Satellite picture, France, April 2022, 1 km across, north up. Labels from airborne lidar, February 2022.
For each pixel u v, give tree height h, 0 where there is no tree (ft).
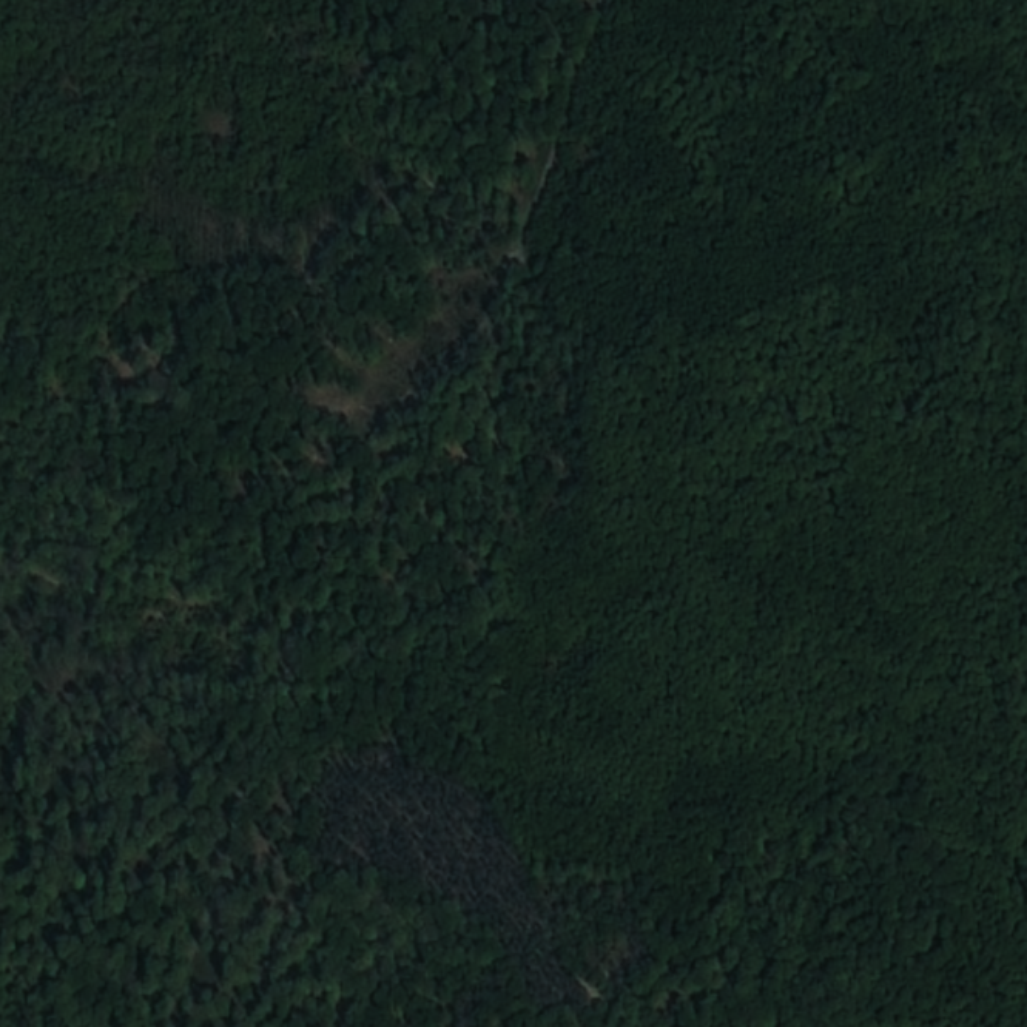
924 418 62
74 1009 107
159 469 106
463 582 103
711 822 54
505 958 56
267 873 99
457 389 92
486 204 104
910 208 76
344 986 107
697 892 52
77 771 126
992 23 96
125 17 46
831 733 80
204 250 0
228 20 49
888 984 102
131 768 128
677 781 50
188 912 122
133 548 63
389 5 114
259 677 122
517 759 39
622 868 39
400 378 0
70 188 51
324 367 87
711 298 75
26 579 129
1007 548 75
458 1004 53
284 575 104
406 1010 99
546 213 36
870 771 99
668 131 89
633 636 59
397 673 105
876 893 91
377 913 103
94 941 119
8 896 136
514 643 75
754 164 83
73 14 43
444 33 109
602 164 31
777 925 95
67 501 125
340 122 71
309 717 93
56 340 75
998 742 82
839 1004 89
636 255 64
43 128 80
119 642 121
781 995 105
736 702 78
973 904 81
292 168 61
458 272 72
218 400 105
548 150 0
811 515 78
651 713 69
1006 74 83
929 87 79
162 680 128
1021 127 75
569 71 73
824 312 88
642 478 86
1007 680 84
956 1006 79
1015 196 66
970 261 74
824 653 94
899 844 106
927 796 79
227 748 107
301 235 51
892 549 77
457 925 95
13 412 74
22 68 43
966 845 87
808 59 81
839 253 66
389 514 105
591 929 53
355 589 86
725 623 86
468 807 83
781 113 70
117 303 69
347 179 33
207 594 113
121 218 71
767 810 65
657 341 81
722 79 84
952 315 59
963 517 77
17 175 50
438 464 112
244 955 115
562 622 50
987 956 84
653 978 89
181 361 44
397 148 57
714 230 63
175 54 43
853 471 78
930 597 77
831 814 107
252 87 59
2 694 140
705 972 117
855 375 82
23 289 44
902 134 79
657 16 54
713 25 47
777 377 76
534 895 46
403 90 120
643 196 76
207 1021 119
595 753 50
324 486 87
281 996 120
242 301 98
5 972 104
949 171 78
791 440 98
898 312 70
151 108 54
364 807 82
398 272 96
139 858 126
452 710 104
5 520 82
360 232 95
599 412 60
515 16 114
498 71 63
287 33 43
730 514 82
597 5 0
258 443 104
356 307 91
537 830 64
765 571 76
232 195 28
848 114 78
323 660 117
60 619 121
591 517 65
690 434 76
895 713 87
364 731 84
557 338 80
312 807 69
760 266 70
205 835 119
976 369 78
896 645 87
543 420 77
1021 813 98
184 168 39
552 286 58
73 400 32
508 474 102
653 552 91
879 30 57
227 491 92
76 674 127
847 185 92
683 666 86
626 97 62
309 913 106
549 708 61
